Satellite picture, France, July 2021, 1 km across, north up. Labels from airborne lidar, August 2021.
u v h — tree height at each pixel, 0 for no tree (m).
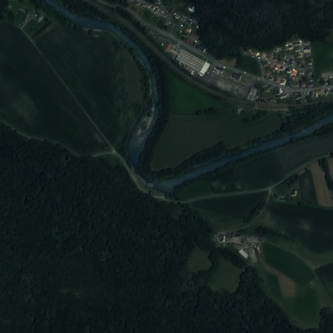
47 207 23
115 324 28
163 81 28
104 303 19
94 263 21
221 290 13
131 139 0
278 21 18
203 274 21
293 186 11
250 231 0
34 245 27
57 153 22
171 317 29
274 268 0
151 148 20
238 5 13
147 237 27
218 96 8
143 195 28
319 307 0
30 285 17
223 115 0
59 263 20
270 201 0
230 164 16
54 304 17
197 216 11
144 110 0
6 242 18
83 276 17
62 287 9
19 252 25
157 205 27
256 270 15
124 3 21
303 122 27
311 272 0
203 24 25
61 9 0
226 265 0
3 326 22
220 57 20
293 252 0
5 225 22
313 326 0
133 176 0
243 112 11
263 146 0
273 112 0
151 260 28
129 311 30
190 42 0
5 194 25
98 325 33
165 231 24
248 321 24
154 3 14
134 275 21
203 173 0
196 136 0
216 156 23
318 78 0
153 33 0
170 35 0
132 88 0
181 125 0
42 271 21
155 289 29
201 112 18
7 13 10
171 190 0
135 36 16
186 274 22
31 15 0
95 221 24
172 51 0
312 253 0
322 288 0
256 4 26
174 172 14
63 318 31
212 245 11
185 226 19
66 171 30
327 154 0
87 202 24
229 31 19
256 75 0
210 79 0
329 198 0
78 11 32
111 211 26
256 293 26
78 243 30
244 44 19
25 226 20
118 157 0
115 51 8
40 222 29
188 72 9
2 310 16
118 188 25
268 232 9
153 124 0
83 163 27
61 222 25
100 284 27
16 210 24
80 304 17
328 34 16
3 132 25
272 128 0
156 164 0
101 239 27
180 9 6
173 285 24
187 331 17
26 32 0
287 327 27
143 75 10
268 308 33
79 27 17
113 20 10
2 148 22
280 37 23
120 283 26
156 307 33
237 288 0
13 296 19
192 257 0
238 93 0
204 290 29
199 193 0
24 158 24
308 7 30
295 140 21
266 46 17
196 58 0
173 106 0
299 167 0
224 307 32
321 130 15
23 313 24
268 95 0
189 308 22
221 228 0
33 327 28
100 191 26
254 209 10
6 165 26
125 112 8
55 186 31
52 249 27
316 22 14
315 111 26
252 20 21
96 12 16
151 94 0
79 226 6
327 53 0
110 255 15
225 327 26
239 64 9
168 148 0
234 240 0
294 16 21
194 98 0
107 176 11
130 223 29
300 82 8
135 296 29
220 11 19
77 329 30
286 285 0
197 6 25
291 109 16
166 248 27
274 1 25
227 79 0
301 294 0
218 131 0
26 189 27
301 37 19
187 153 0
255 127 0
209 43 20
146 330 23
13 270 9
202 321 19
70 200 20
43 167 22
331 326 18
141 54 0
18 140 24
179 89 0
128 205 32
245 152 0
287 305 0
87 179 23
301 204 17
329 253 0
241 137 0
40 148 29
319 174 0
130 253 30
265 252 0
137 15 0
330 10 29
